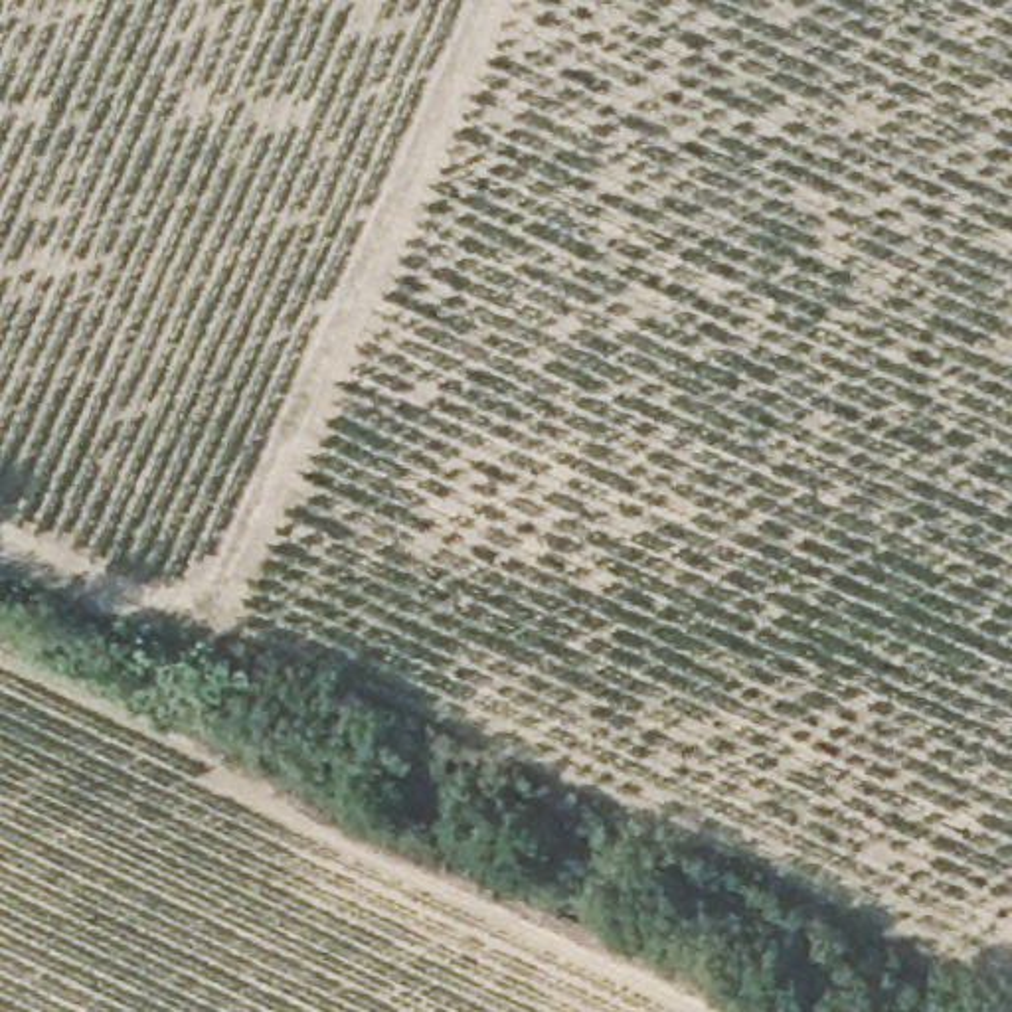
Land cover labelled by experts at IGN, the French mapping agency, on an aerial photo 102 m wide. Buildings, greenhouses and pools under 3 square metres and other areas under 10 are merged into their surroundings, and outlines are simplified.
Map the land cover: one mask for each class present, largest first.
<instances>
[{"label":"vineyard","instance_id":"1","mask_svg":"<svg viewBox=\"0 0 1012 1012\"><path fill-rule=\"evenodd\" d=\"M0 557L43 561L55 573L87 577L91 605L115 617L162 609L182 613L217 633L233 629L249 640L273 636L281 629L348 660H360L364 648H380L383 676L431 696L443 719H470L486 731V747L466 751V763L474 767H502L510 759L542 767L565 763L561 783L589 787L625 810H656L672 826L696 830L700 838H712L719 846L747 842V850L771 858L779 874H791L810 889L842 886L850 889V905L889 909L893 933L913 937L921 953L972 961L988 945L976 937V909L992 897H1012V0H0ZM368 767L364 755H332L308 743L304 735L289 731H265L257 747L241 735H221L210 747L182 731H162L146 716L127 712L123 700L103 696V688L40 664V636L0 625V1012H716L704 1000V992L712 988L708 953H688L680 941H648V949L636 961H625L601 945L597 933L565 925L526 901H494L463 878L435 874V866L443 862L439 842L423 850L419 838L407 830L395 834L383 850H376V842L391 826L368 814L364 799L352 791V779Z\"/></svg>","mask_w":1012,"mask_h":1012},{"label":"deciduous trees","instance_id":"2","mask_svg":"<svg viewBox=\"0 0 1012 1012\"><path fill-rule=\"evenodd\" d=\"M87 577L55 573L43 561L0 557V625L40 636V664L103 688V696L123 700L127 712L146 716L162 731H182L210 747L221 735H241L257 747L265 731H289L304 735L308 743L332 755H364L368 767L352 779V791L364 799L368 814L391 826L376 842V850H383L395 834L407 830L419 838L423 850L439 842L443 862L435 866V874L463 878L494 901H526L565 925L597 933L601 945L625 961H636L648 949V941H680L688 953H708L712 988L704 992V1000L716 1012H1012V945H988L972 961L921 953L913 937L893 933L889 909L850 905V889L842 886L810 889L791 874H779L771 858L747 850V842L719 846L712 838H700L696 830L672 826L656 810H625L589 787L561 783L565 763L542 767L510 759L502 767H474L466 763V751L486 747V731L470 719H443L431 696L383 676L380 648H364L360 660H348L281 629L273 636L249 640L233 629L217 633L182 613L162 609L115 617L91 605Z\"/></svg>","mask_w":1012,"mask_h":1012},{"label":"herbaceous vegetation","instance_id":"3","mask_svg":"<svg viewBox=\"0 0 1012 1012\"><path fill-rule=\"evenodd\" d=\"M976 937L988 945H1012V897H992L976 909Z\"/></svg>","mask_w":1012,"mask_h":1012}]
</instances>
